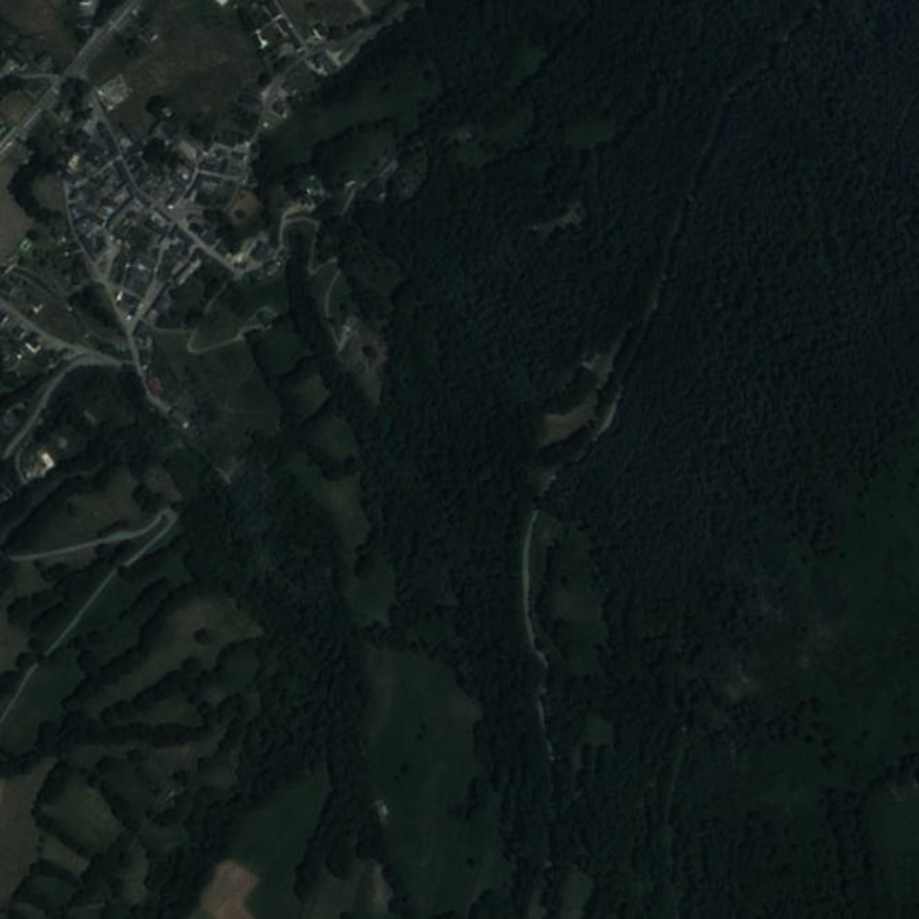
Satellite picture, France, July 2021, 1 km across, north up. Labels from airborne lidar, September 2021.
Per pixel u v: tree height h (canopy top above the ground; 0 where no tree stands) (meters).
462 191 15
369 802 18
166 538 0
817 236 7
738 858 14
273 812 0
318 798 0
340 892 0
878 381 16
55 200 0
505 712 11
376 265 8
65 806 0
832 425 21
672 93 21
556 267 23
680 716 10
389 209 15
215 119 0
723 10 21
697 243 17
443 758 0
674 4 20
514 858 15
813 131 17
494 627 14
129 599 0
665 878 15
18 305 0
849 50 9
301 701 27
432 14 21
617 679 17
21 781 0
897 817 0
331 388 19
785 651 0
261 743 6
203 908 0
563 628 21
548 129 19
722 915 20
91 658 17
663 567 17
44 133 0
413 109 0
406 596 17
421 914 0
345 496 0
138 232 0
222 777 0
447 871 0
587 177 23
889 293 13
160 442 17
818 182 17
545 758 0
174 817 21
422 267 15
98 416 0
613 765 17
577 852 19
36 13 0
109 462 19
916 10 14
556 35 9
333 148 15
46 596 11
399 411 12
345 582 20
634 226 20
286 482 13
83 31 9
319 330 13
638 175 15
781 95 14
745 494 9
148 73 0
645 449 17
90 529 0
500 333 11
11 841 0
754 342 19
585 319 20
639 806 12
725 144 18
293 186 18
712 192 20
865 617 0
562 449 18
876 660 0
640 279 27
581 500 18
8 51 7
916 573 0
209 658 0
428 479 12
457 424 17
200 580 14
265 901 0
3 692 22
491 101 22
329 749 17
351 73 9
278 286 0
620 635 17
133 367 7
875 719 0
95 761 0
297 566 14
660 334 19
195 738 15
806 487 8
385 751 0
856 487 0
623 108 18
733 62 7
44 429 6
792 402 12
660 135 18
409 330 20
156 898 23
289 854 0
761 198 22
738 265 23
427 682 0
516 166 19
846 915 17
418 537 13
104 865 22
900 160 16
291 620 16
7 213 0
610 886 16
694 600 16
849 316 13
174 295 15
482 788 21
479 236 9
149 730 19
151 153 18
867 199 17
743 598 12
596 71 15
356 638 26
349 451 0
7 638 0
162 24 0
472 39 17
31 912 0
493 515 13
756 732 16
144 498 16
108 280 0
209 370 0
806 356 19
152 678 0
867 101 18
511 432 22
